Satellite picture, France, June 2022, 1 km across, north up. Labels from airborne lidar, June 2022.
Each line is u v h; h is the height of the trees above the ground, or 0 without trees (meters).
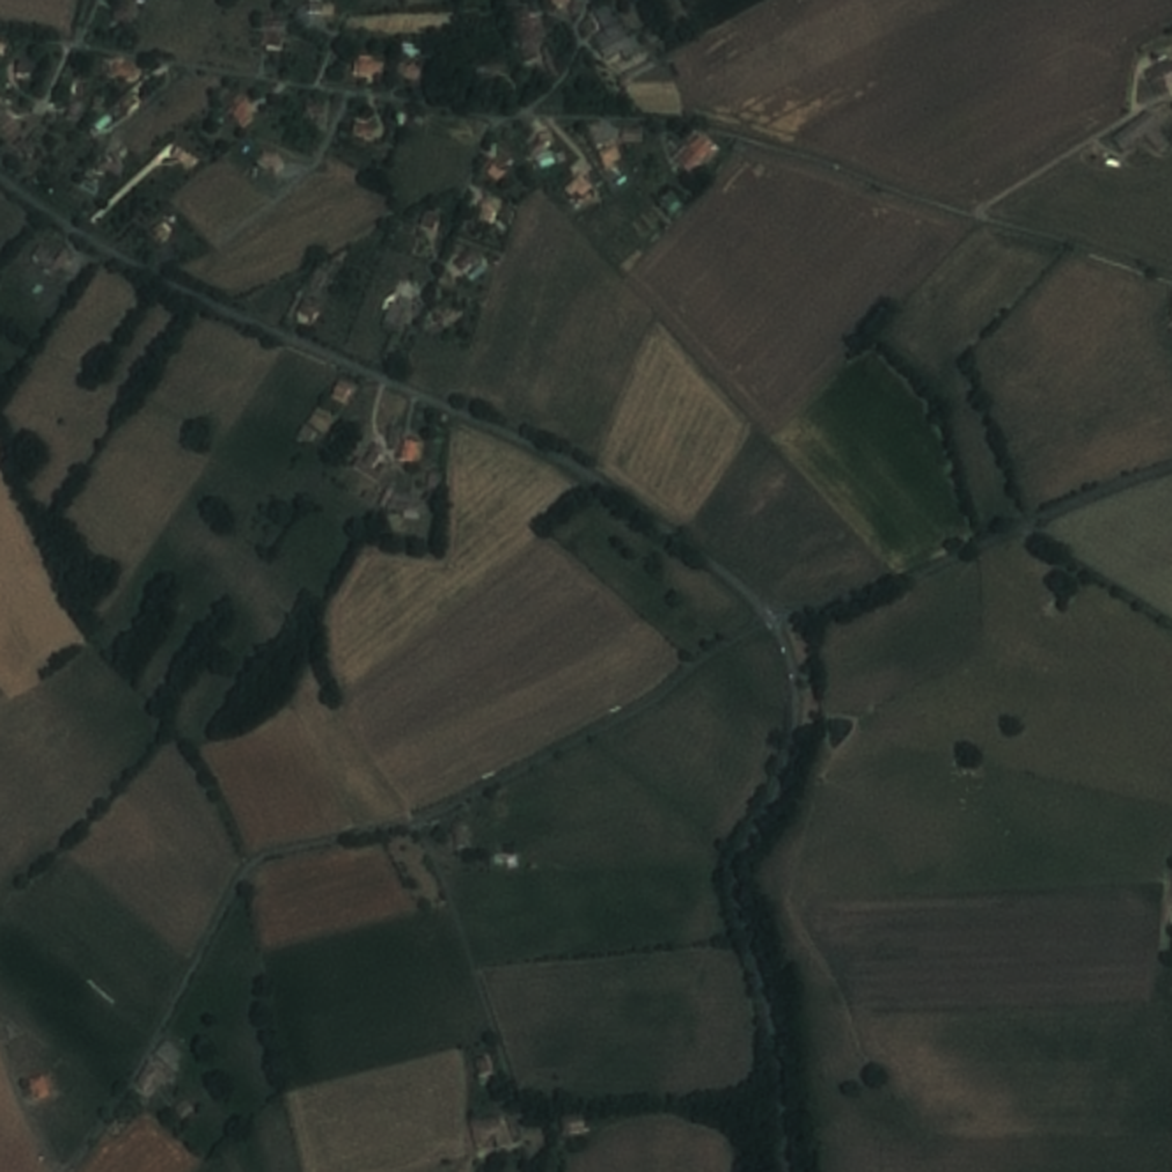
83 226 13
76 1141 0
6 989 0
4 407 14
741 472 0
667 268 0
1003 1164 0
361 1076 0
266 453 0
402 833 10
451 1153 0
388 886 0
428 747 0
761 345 0
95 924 0
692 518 0
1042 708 0
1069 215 0
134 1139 0
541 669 0
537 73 8
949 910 0
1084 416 0
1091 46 0
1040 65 0
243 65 0
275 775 0
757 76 0
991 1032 0
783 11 0
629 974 0
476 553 0
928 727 0
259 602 0
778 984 21
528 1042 0
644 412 0
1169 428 0
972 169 0
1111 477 0
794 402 0
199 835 0
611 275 0
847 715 0
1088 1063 0
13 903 0
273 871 0
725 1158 0
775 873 0
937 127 0
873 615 9
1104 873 0
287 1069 17
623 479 0
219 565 0
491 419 15
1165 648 0
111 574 19
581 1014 0
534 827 0
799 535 0
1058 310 0
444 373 0
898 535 0
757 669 0
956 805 0
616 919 0
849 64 0
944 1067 0
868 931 0
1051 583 17
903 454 0
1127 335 0
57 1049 0
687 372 0
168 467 0
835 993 0
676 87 0
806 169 0
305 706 0
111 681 0
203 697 0
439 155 0
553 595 0
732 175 0
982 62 0
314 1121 0
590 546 0
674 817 0
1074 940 0
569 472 0
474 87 13
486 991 0
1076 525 0
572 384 0
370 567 0
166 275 13
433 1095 0
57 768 0
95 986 0
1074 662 0
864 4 0
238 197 0
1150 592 0
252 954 0
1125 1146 0
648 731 0
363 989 0
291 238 0
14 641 0
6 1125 0
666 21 21
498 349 0
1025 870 0
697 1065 0
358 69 0
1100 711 0
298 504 14
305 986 0
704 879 0
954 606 0
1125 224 0
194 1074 0
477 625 0
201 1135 0
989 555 0
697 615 0
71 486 15
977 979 0
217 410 0
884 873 0
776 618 0
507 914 0
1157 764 0
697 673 0
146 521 0
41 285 0
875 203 0
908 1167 0
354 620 0
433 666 0
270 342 11
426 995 0
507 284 0
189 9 0
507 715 0
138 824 0
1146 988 0
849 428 0
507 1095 13
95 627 15
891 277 0
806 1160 10
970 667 0
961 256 0
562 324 0
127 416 15
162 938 0
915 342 0
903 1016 0
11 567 0
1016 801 0
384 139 7
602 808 0
